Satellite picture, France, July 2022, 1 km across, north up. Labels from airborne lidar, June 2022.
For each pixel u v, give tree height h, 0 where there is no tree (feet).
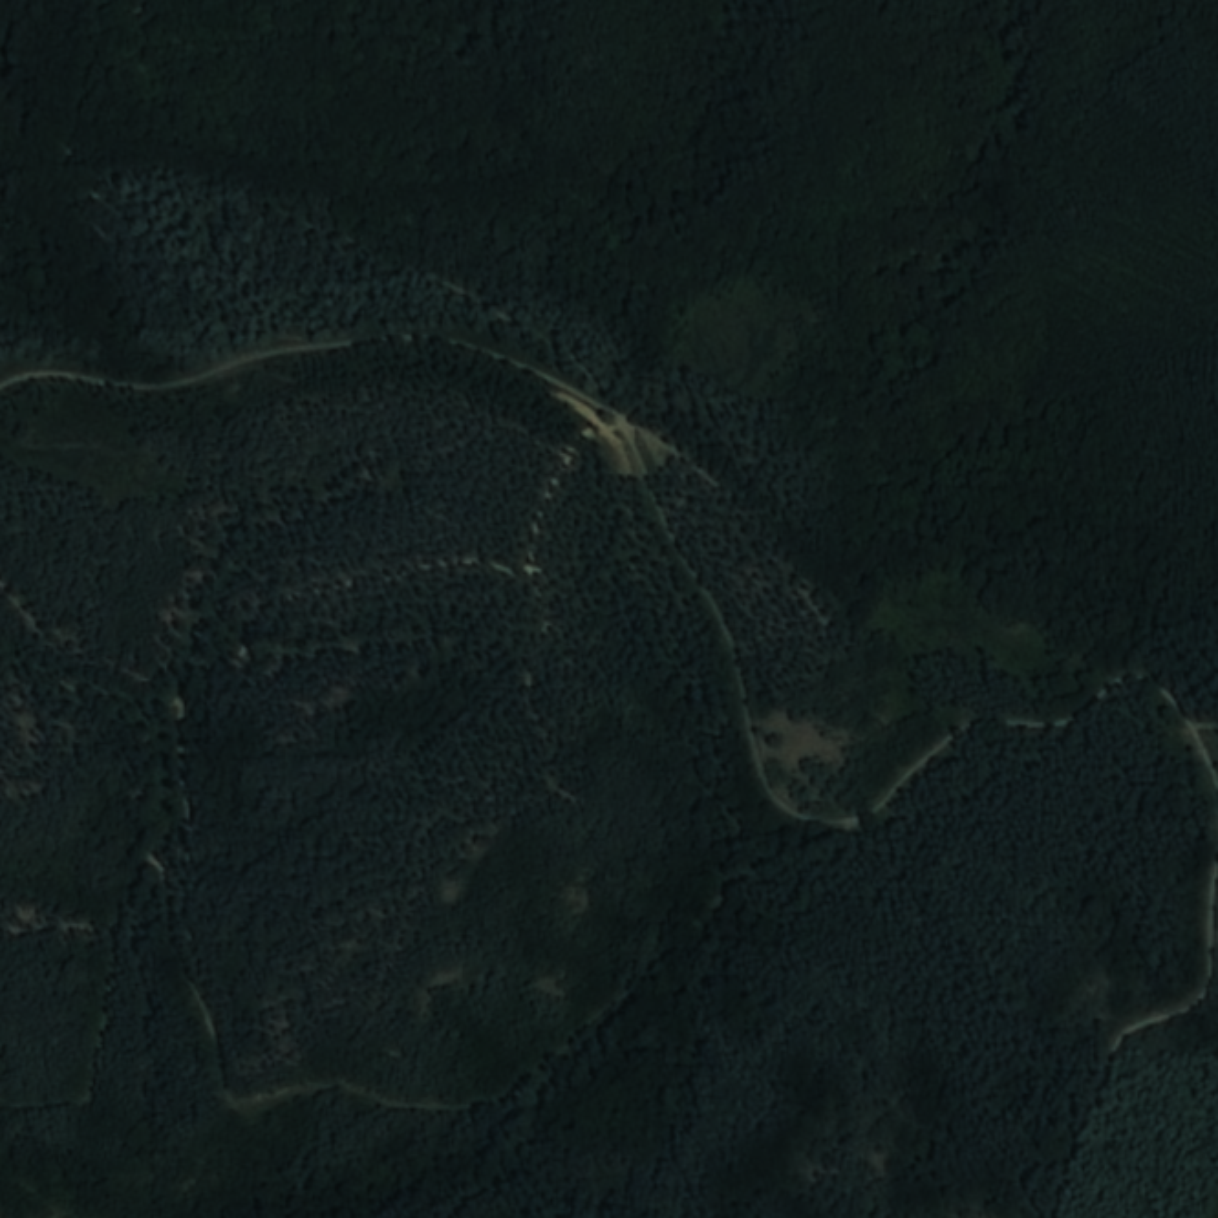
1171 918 56
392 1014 20
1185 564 64
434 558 54
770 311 0
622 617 102
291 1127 38
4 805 68
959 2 59
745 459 68
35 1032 61
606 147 58
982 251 51
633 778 79
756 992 67
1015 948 60
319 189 58
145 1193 34
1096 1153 58
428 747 48
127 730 78
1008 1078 54
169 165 39
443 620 54
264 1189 74
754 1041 64
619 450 0
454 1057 28
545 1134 49
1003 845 74
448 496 53
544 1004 58
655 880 35
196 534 80
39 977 71
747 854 89
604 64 36
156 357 21
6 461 57
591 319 44
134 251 53
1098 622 51
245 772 58
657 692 53
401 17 51
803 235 52
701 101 85
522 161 52
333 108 53
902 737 26
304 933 42
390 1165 57
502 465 59
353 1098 26
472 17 70
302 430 49
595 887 41
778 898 60
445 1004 54
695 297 50
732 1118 70
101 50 48
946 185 48
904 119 51
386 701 31
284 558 63
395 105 36
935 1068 74
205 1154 26
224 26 37
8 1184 32
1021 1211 43
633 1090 42
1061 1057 73
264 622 71
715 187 38
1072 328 34
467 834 49
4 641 41
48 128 52
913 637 0
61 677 106
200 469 69
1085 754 73
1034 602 50
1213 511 62
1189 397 53
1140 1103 67
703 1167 59
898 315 75
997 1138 74
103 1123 71
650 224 70
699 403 55
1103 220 47
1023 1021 74
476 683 32
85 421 0
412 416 52
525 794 57
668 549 36
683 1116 40
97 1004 18
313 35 50
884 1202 19
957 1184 53
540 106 53
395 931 34
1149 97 94
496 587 61
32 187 70
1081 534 61
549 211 49
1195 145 95
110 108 49
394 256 56
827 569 50
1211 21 52
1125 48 35
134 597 61
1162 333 68
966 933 75
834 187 46
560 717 44
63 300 49
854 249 62
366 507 58
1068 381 73
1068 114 48
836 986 70
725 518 59
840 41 60
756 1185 51
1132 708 77
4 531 64
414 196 58
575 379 74
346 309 60
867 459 51
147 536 59
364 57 65
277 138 36
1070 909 57
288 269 66
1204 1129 50
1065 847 70
